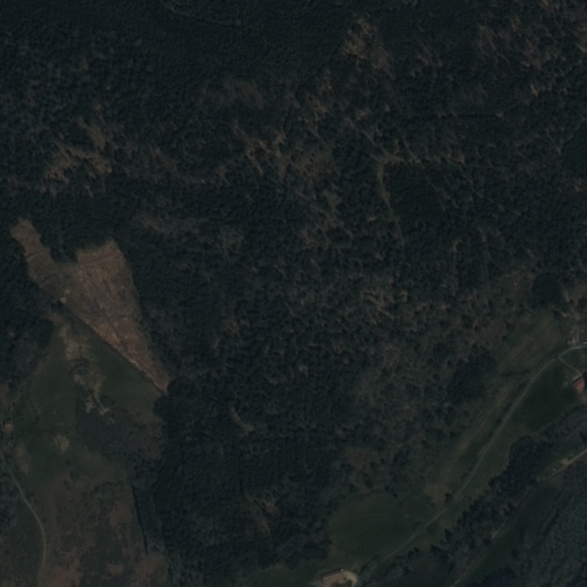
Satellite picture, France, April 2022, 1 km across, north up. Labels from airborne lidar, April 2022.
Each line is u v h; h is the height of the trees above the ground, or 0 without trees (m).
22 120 12
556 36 24
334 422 25
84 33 12
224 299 22
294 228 25
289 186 23
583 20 24
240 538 19
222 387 30
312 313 15
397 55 25
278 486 29
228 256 29
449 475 0
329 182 6
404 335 15
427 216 12
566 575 11
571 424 18
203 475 34
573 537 14
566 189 20
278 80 17
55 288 0
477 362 25
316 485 15
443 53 24
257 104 15
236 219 16
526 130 24
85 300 0
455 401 21
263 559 12
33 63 19
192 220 33
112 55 24
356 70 28
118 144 24
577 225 29
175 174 17
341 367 25
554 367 0
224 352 10
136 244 28
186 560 27
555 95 12
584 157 14
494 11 22
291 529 11
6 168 9
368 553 0
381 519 0
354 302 20
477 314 6
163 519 18
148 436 7
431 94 33
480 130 19
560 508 5
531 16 25
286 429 28
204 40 13
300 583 0
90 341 0
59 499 0
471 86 30
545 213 31
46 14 11
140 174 28
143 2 14
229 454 29
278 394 19
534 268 8
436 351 16
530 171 28
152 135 27
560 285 6
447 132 24
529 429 0
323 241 23
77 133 23
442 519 0
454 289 17
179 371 13
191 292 27
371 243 27
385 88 26
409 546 0
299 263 22
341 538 0
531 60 24
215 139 11
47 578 0
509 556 0
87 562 0
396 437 22
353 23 15
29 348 29
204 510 12
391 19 21
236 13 15
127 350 0
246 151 19
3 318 34
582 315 10
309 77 15
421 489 16
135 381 0
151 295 19
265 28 12
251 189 26
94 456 0
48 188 25
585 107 27
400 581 0
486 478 0
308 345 27
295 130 19
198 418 23
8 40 26
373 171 27
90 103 21
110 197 27
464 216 6
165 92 20
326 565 0
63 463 0
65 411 0
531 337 0
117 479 0
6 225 29
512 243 35
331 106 24
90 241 26
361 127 28
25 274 26
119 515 0
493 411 0
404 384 25
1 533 16
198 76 15
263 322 27
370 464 6
